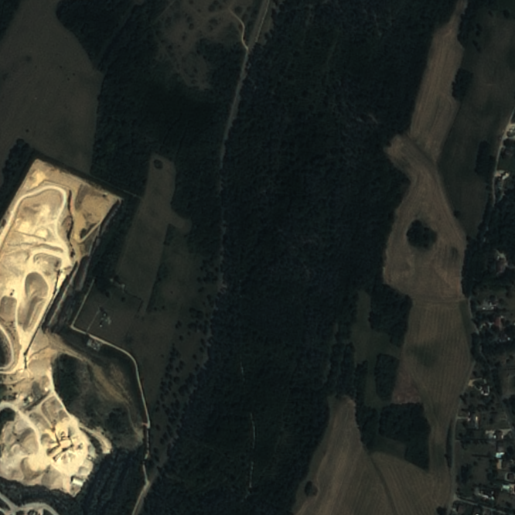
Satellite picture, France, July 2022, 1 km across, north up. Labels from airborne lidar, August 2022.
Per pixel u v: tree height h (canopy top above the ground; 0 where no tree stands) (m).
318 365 13
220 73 8
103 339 0
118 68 13
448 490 0
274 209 19
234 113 0
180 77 7
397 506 0
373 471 0
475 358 13
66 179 0
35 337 0
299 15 6
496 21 0
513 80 0
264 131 15
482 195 0
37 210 0
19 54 0
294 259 8
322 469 0
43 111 0
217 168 7
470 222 0
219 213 17
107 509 7
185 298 0
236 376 7
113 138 9
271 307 13
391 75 12
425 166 0
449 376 0
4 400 0
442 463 0
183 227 0
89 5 14
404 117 12
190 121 6
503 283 15
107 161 17
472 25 10
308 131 6
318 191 12
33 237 0
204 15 0
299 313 14
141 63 12
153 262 0
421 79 10
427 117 0
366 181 16
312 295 18
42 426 0
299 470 17
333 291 23
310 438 8
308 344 23
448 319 0
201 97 8
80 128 0
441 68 0
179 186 11
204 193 17
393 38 11
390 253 0
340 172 20
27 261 0
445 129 0
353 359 9
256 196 16
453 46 0
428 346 0
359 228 18
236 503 7
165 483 23
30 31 0
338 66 7
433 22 11
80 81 0
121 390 0
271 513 13
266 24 0
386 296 15
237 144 19
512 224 8
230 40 0
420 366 0
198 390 22
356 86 26
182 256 0
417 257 0
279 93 9
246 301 13
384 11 10
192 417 24
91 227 0
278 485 7
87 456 0
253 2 0
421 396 0
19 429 0
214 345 19
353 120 28
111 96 7
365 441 12
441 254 0
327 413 13
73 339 0
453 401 0
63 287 0
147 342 0
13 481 0
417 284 0
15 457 0
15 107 0
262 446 9
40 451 0
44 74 0
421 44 16
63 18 16
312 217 18
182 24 0
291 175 7
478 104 0
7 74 0
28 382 0
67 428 0
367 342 0
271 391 7
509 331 13
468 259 16
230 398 11
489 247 14
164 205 0
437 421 0
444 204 0
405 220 0
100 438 0
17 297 0
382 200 21
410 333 0
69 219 0
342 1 24
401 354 0
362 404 16
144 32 10
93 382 0
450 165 0
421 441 8
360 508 0
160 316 0
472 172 0
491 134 0
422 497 0
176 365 0
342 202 13
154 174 0
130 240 0
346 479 0
